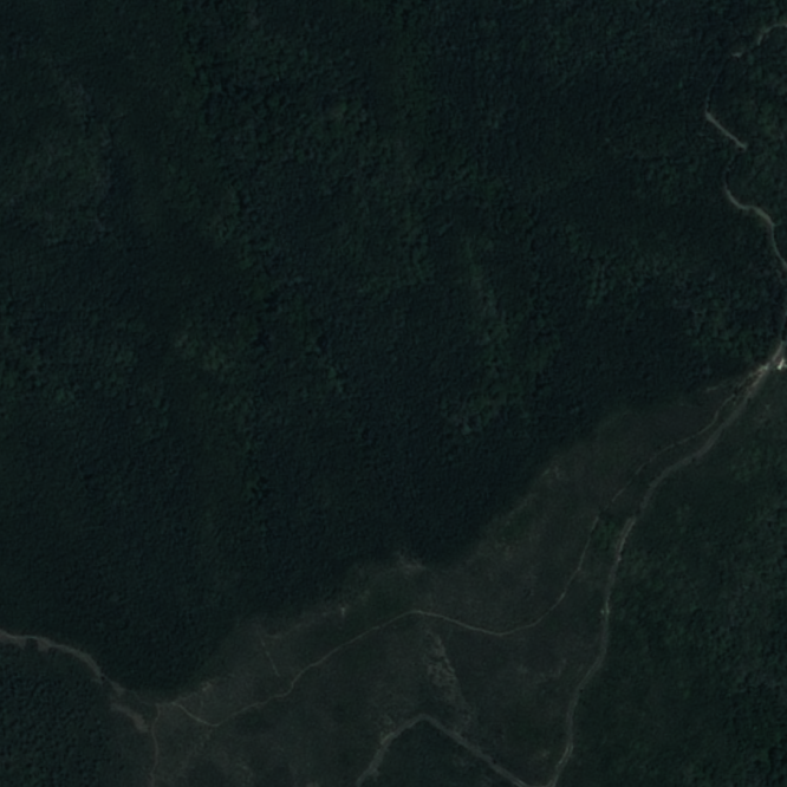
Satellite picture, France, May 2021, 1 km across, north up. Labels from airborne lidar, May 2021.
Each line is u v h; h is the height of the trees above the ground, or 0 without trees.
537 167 12
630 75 15
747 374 8
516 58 17
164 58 12
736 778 9
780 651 9
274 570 11
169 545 7
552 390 14
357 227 12
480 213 18
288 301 23
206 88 18
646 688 6
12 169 10
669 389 8
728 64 14
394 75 17
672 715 6
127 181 13
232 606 6
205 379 15
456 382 9
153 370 13
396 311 13
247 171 12
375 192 8
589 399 9
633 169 16
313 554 11
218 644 6
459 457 11
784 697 15
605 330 14
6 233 17
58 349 17
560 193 12
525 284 17
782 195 13
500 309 11
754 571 7
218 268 20
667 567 12
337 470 15
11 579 6
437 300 9
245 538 11
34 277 12
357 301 12
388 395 10
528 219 24
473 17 15
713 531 6
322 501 10
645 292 16
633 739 10
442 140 29
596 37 15
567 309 11
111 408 14
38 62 16
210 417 9
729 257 14
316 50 16
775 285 18
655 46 11
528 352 17
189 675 7
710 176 7
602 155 13
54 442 13
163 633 13
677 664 13
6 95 14
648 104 11
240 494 12
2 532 13
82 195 11
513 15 17
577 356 10
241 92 23
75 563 10
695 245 11
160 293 12
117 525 17
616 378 9
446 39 22
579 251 18
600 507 7
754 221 13
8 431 11
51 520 12
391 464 17
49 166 10
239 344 18
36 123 16
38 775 7
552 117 14
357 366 11
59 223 12
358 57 13
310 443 12
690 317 15
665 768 9
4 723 9
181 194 12
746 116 15
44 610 6
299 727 0
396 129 15
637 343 14
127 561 12
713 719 9
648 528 7
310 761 0
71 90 14
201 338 12
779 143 11
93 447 10
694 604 15
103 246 15
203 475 9
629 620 11
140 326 13
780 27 8
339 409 22
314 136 12
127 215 10
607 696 6
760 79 11
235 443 6
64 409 15
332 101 17
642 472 7
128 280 13
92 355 11
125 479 12
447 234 15
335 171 21
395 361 13
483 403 14
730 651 12
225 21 15
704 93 8
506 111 12
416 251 18
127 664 7
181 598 6
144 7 18
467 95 18
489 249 12
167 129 17
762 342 9
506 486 8
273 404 13
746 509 6
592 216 13
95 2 15
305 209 16
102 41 11
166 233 13
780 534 9
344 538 8
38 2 10
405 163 16
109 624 13
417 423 12
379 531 9
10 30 13
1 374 14
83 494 13
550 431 15
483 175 25
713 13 14
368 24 17
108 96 6
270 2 14
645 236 11
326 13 16
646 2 13
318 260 17
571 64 16
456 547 8
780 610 17
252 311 24
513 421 13
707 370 15
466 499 9
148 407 13
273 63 17
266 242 20
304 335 18
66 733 9
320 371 16
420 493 11
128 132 8
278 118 20
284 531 14
